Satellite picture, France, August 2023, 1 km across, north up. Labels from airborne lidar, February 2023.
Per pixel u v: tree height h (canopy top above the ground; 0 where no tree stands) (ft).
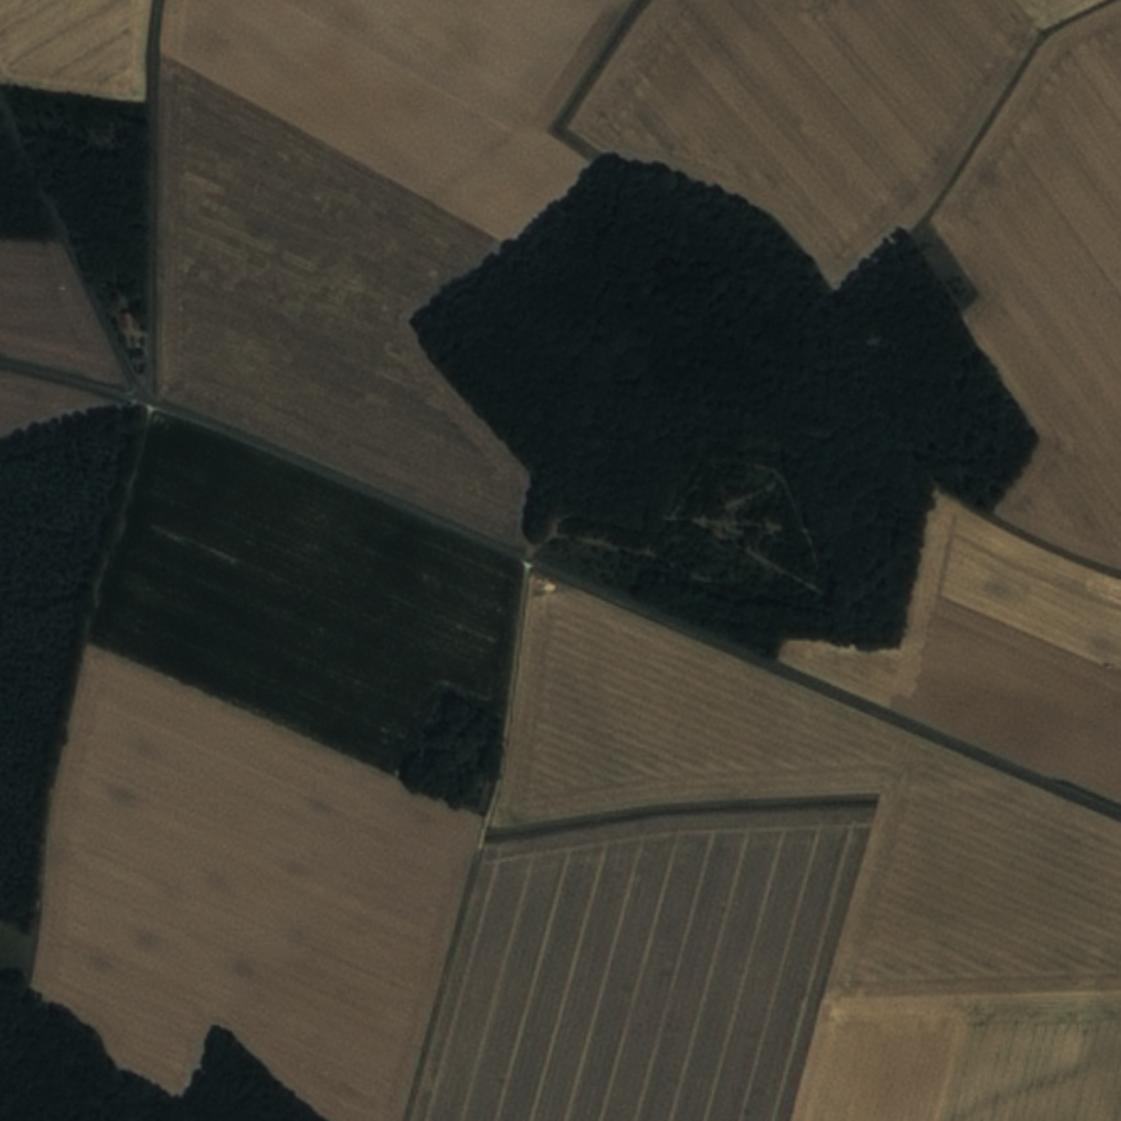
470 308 62
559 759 0
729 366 51
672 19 0
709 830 0
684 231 71
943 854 0
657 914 0
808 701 0
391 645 0
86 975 0
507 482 0
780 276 53
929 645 0
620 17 0
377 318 0
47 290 0
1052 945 0
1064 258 0
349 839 0
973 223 0
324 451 0
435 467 0
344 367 0
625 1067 0
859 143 0
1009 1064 0
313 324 0
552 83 0
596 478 70
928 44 0
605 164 37
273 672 0
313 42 0
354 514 0
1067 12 0
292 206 0
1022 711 0
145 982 0
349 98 0
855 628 57
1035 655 0
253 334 0
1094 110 0
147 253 56
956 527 0
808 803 0
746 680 0
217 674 0
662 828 0
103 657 0
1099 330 0
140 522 0
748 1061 0
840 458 80
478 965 0
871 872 0
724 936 0
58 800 0
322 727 0
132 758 0
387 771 0
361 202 0
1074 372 0
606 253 66
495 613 0
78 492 60
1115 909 0
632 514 77
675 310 56
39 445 46
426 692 0
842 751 0
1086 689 0
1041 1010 0
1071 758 0
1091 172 0
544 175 0
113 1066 54
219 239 0
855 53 0
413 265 0
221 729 0
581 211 55
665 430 75
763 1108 0
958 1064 0
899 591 62
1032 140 0
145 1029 0
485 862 0
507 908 0
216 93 0
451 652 0
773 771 0
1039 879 0
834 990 0
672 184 63
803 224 0
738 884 0
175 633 0
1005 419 48
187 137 0
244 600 0
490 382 64
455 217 0
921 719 0
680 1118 0
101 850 0
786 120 0
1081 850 0
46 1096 59
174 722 0
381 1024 0
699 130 0
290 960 0
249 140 0
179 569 0
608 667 0
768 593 18
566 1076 0
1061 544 0
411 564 0
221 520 0
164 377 0
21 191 57
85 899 0
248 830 0
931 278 52
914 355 63
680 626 0
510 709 0
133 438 50
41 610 57
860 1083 0
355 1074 0
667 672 0
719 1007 0
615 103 0
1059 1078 0
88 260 47
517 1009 0
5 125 48
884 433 76
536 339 74
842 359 75
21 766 58
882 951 0
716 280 69
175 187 0
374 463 0
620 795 0
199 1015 0
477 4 0
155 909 0
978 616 0
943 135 0
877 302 59
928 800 0
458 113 0
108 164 52
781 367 49
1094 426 0
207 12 0
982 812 0
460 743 69
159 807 0
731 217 59
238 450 0
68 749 0
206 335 0
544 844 0
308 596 0
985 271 0
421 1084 0
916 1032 0
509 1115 0
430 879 0
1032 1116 0
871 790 0
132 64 0
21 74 0
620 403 75
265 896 0
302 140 0
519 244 30
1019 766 0
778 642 47
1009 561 0
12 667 53
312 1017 0
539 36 0
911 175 0
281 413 0
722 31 0
